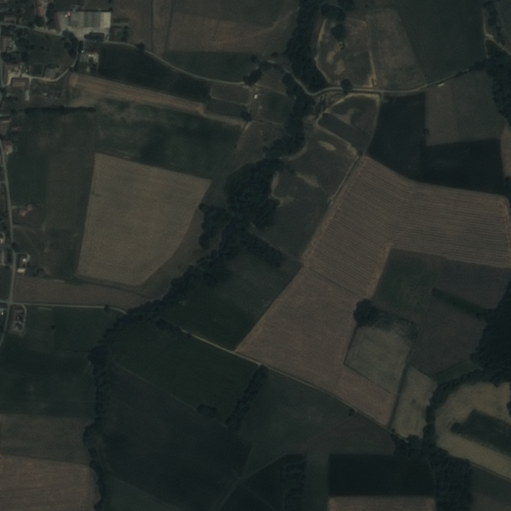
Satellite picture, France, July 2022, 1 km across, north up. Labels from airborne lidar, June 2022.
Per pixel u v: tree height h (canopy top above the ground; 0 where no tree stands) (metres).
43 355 0
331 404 0
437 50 0
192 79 0
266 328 0
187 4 0
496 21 11
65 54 0
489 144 0
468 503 14
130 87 0
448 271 0
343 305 0
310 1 25
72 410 0
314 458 0
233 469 0
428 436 11
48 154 0
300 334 0
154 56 0
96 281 0
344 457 0
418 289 0
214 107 0
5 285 0
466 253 0
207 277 19
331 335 0
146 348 0
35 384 0
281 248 0
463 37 0
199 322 0
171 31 0
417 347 0
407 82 0
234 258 9
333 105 0
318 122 0
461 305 0
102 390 20
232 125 0
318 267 0
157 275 0
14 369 0
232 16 0
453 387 11
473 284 0
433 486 0
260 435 0
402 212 0
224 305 0
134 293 0
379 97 0
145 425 0
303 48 17
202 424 0
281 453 0
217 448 0
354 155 0
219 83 0
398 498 0
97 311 0
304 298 0
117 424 0
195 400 0
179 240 0
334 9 18
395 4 0
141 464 0
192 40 0
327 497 0
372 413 0
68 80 0
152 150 0
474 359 10
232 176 0
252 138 0
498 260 0
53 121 0
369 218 0
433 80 0
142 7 0
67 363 0
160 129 0
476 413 0
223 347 0
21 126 0
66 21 0
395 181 0
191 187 0
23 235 0
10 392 0
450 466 16
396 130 0
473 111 0
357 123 0
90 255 0
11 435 0
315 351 0
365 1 0
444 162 0
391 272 0
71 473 0
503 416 0
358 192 0
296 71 11
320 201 0
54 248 0
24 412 0
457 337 0
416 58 0
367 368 0
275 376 0
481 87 0
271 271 0
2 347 0
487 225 0
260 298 0
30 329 0
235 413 9
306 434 0
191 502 0
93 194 0
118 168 0
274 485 0
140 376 0
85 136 0
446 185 0
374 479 0
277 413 0
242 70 0
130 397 0
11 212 0
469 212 0
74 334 0
